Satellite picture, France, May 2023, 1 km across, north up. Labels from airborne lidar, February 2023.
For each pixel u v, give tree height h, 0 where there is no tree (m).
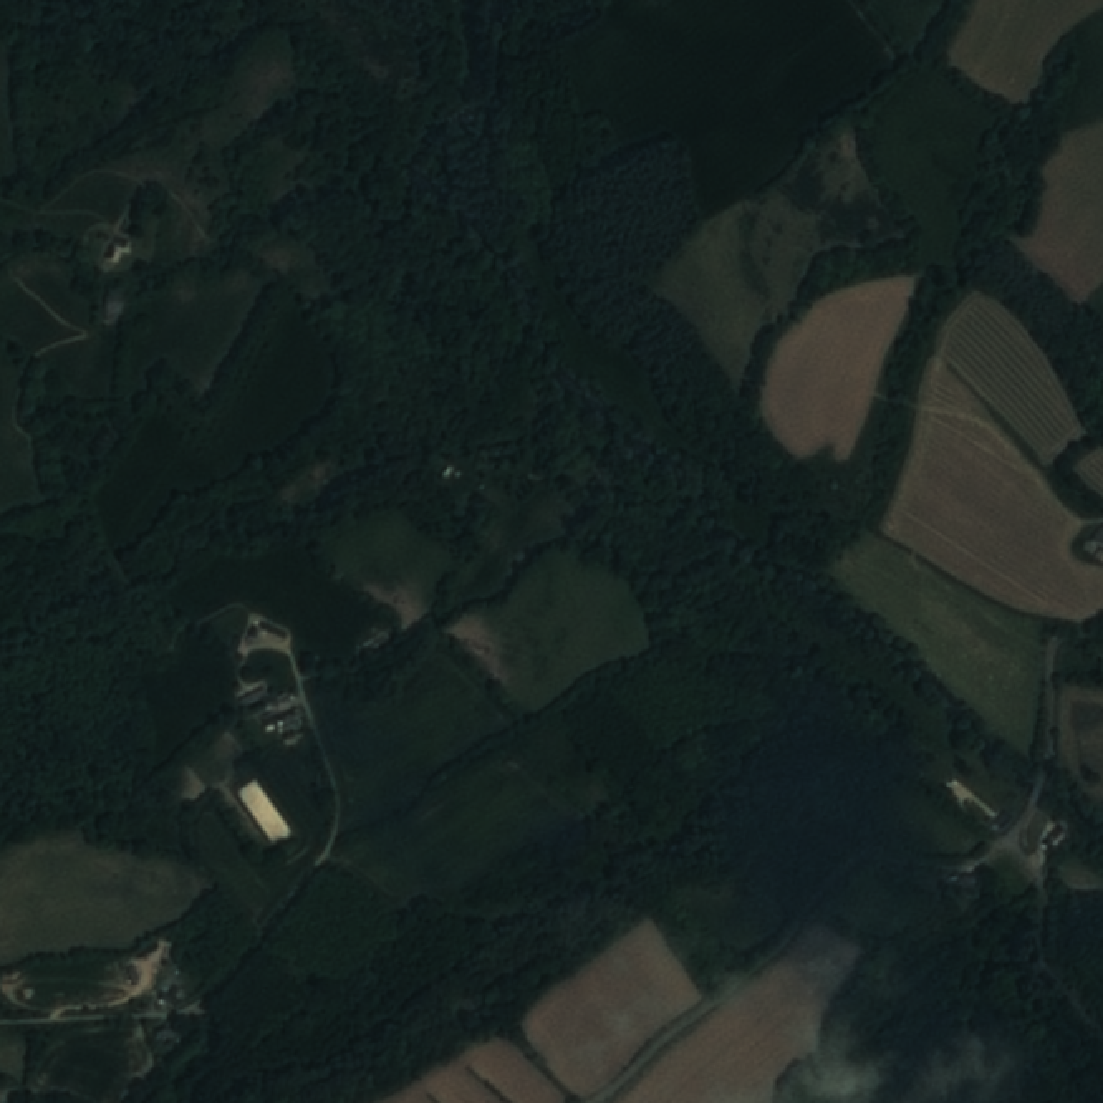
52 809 20
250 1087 23
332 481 0
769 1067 0
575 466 14
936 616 0
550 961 14
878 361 0
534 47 15
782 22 0
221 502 7
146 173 0
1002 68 0
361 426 22
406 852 0
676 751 22
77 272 9
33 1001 0
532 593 0
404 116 24
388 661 13
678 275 0
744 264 0
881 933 0
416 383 27
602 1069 0
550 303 0
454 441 9
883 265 16
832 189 0
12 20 7
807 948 0
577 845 21
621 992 0
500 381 13
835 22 0
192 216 0
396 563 0
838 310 0
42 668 19
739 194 0
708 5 0
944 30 16
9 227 0
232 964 8
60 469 14
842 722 20
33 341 0
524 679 0
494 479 0
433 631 6
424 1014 25
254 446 0
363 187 23
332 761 0
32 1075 10
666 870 25
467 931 19
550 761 0
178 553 9
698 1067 0
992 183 11
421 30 26
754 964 13
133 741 19
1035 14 0
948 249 0
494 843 0
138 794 22
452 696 0
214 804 11
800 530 13
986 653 0
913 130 0
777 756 42
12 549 14
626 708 15
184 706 0
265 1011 14
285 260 0
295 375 0
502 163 26
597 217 26
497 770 0
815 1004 0
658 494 17
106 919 0
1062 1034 10
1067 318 18
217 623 0
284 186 0
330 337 16
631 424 8
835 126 18
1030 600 0
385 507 11
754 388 15
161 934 8
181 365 0
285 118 20
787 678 21
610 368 0
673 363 21
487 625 0
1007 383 0
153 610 16
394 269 25
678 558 21
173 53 19
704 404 21
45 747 17
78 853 0
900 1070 12
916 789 6
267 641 0
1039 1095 21
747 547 11
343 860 0
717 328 0
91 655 18
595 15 21
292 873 0
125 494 0
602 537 22
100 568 9
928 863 7
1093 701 0
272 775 0
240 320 0
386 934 13
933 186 0
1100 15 0
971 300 0
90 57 14
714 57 0
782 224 0
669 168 22
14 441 0
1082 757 0
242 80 0
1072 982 7
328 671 14
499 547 0
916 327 7
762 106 0
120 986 0
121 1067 0
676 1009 0
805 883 11
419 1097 0
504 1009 14
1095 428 20
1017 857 0
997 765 25
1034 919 6
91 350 0
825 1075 20
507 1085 0
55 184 10
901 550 0
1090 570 0
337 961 16
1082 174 0
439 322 21
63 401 8
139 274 13
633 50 0
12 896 0
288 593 0
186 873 0
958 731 16
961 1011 21
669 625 20
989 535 0
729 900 0
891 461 8
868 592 0
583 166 8
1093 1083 9
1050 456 0
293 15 20
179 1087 20
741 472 23
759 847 12
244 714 8
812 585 11
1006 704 0
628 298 26
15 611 12
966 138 0
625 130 0
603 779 8
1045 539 0
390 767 0
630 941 0
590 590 0
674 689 17
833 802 20
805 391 0
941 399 0
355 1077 22
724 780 8
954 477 0
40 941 0
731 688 13
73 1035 0
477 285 9
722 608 25
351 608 0
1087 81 0
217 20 10
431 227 7
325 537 8
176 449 0
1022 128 16
